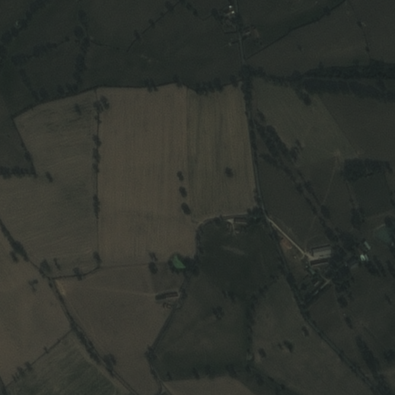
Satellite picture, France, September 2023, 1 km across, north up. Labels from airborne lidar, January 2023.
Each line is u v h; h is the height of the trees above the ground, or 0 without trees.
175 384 0
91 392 0
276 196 0
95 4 0
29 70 0
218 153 0
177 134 0
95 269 0
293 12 0
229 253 0
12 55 0
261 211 14
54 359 0
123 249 0
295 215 0
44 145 0
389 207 0
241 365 0
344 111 0
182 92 0
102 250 0
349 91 17
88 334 0
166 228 0
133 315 0
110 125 0
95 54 0
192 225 0
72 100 0
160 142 0
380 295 0
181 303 0
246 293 0
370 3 0
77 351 0
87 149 0
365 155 0
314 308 0
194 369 0
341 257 10
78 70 18
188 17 0
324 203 0
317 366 0
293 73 0
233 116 0
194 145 0
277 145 17
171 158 0
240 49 0
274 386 0
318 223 0
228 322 0
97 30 0
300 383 0
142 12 0
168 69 0
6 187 0
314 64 0
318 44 0
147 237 0
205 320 0
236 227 0
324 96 0
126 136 0
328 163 0
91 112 0
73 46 0
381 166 19
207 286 0
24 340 0
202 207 0
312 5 0
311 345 0
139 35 20
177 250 0
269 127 0
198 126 0
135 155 0
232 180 0
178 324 0
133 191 0
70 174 0
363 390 0
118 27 0
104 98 0
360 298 0
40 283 0
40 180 0
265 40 0
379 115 0
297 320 0
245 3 0
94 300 0
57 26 0
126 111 0
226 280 0
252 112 12
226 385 0
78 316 0
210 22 0
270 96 0
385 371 0
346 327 0
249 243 0
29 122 0
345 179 16
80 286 0
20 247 19
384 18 0
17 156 0
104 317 0
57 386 0
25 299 0
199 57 0
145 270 0
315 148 0
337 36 0
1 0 0
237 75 0
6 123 0
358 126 0
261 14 0
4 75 0
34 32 0
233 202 0
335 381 0
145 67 0
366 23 0
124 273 0
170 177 0
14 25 0
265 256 0
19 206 0
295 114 0
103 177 0
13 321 0
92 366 0
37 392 0
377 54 0
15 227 0
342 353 11
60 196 0
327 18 0
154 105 0
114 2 0
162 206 0
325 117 0
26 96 0
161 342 0
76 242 0
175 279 0
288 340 0
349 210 0
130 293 0
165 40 0
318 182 0
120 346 0
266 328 0
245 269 0
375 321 0
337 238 11
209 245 0
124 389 0
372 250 0
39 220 0
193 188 0
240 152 0
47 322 0
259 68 0
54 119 0
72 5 0
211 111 0
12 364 0
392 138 0
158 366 0
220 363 0
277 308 0
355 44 0
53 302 0
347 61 0
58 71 0
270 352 0
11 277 0
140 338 0
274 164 16
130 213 0
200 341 0
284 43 0
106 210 0
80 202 0
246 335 0
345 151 0
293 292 13
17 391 0
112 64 0
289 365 0
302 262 0
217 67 0
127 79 0
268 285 0
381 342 0
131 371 0
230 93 0
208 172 0
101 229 0
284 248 0
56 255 0
